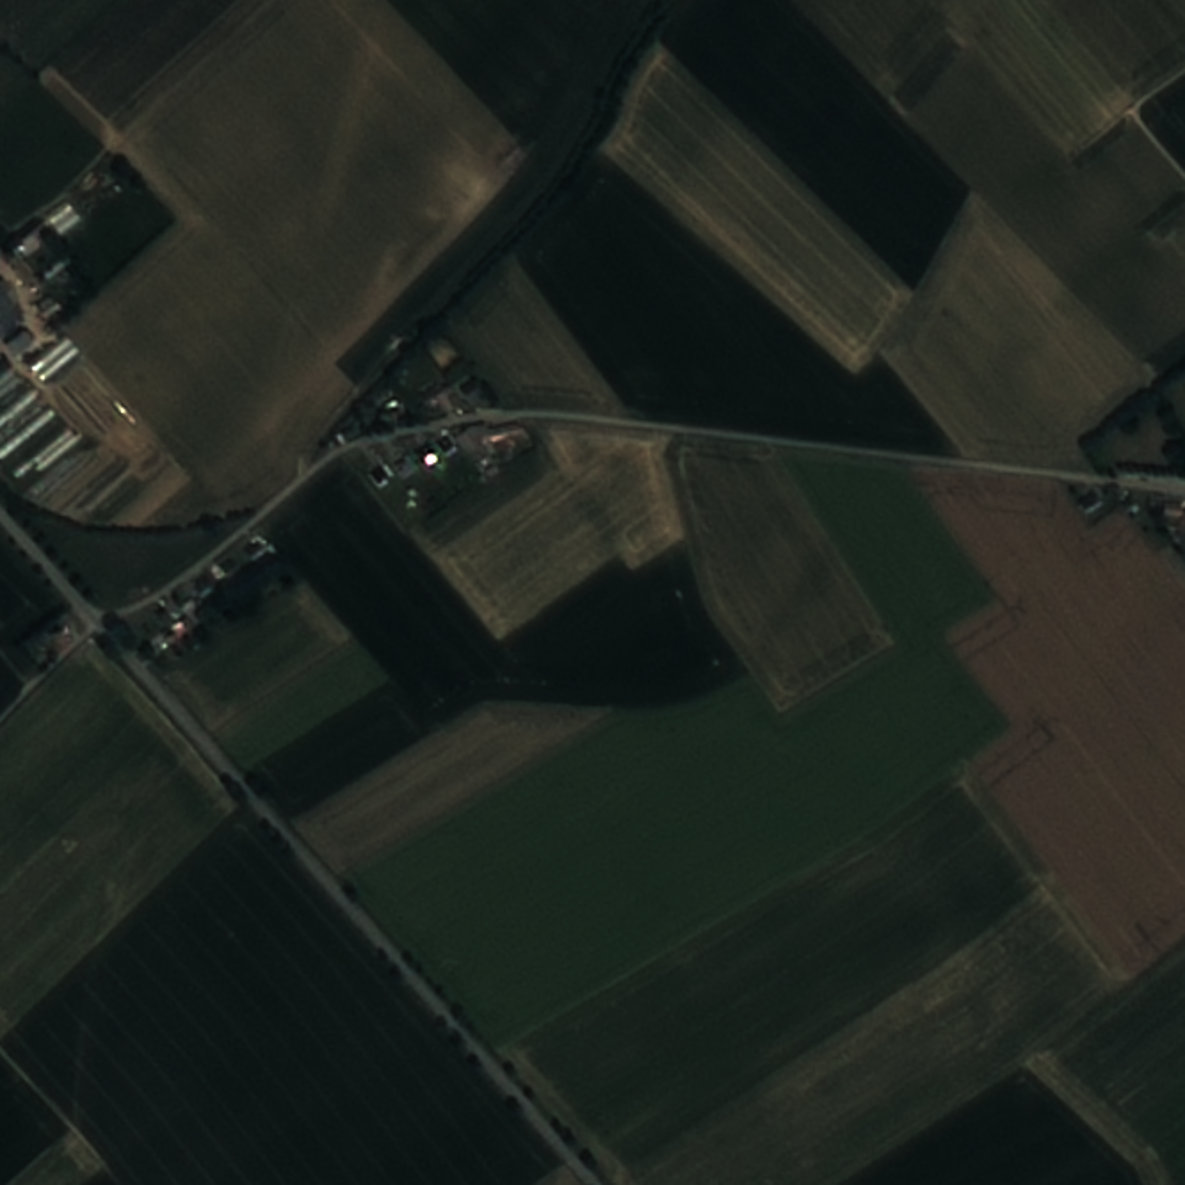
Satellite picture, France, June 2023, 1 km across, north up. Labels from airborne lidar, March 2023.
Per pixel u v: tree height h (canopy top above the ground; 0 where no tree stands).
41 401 0
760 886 0
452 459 0
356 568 0
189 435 0
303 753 0
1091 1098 0
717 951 0
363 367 0
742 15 0
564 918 0
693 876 0
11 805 0
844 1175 0
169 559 0
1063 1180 0
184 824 0
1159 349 0
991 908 0
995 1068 0
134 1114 0
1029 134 0
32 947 0
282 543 0
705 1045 0
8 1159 0
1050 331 0
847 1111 0
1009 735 0
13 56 6
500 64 0
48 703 0
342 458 0
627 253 0
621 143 0
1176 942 0
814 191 0
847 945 0
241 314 0
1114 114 0
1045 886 0
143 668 0
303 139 0
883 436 0
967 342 0
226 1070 0
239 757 0
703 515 0
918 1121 0
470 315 0
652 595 0
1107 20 0
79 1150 0
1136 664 0
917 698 0
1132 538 0
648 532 0
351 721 0
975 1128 0
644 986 0
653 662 0
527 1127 0
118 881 0
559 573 0
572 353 0
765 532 0
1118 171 0
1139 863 0
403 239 0
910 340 0
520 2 0
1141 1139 0
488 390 11
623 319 0
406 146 0
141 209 0
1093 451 12
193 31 0
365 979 0
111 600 0
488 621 0
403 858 0
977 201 0
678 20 0
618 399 0
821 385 0
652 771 0
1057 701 0
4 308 0
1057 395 0
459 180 0
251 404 0
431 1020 0
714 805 0
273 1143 0
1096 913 0
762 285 0
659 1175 0
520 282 0
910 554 0
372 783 0
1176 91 0
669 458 0
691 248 0
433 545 0
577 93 0
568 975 0
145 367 0
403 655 0
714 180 0
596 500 0
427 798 0
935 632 0
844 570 0
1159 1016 0
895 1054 0
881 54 0
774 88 0
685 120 0
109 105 0
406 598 0
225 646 0
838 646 0
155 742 0
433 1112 0
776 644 0
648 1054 0
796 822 0
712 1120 0
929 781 0
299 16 0
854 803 0
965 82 0
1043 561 0
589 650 0
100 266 0
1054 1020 0
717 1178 0
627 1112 0
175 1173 0
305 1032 0
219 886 0
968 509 0
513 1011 0
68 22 0
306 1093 0
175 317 0
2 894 0
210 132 0
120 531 6
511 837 0
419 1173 0
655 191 0
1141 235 0
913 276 0
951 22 0
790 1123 0
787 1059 0
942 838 0
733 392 0
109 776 0
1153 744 0
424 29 0
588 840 0
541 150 0
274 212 0
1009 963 0
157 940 0
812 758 0
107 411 0
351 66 0
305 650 0
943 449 0
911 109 0
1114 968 0
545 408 0
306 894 0
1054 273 0
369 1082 0
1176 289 0
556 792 0
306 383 0
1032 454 0
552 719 0
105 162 0
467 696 0
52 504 0
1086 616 0
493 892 0
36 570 9
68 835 0
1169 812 0
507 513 0
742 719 0
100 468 0
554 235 0
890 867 0
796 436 0
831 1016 0
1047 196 0
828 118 0
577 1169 0
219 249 0
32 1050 0
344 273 0
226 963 0
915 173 0
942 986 0
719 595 0
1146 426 0
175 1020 0
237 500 0
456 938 0
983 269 0
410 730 0
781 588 0
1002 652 0
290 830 0
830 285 0
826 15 0
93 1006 0
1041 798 0
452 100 0
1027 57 0
